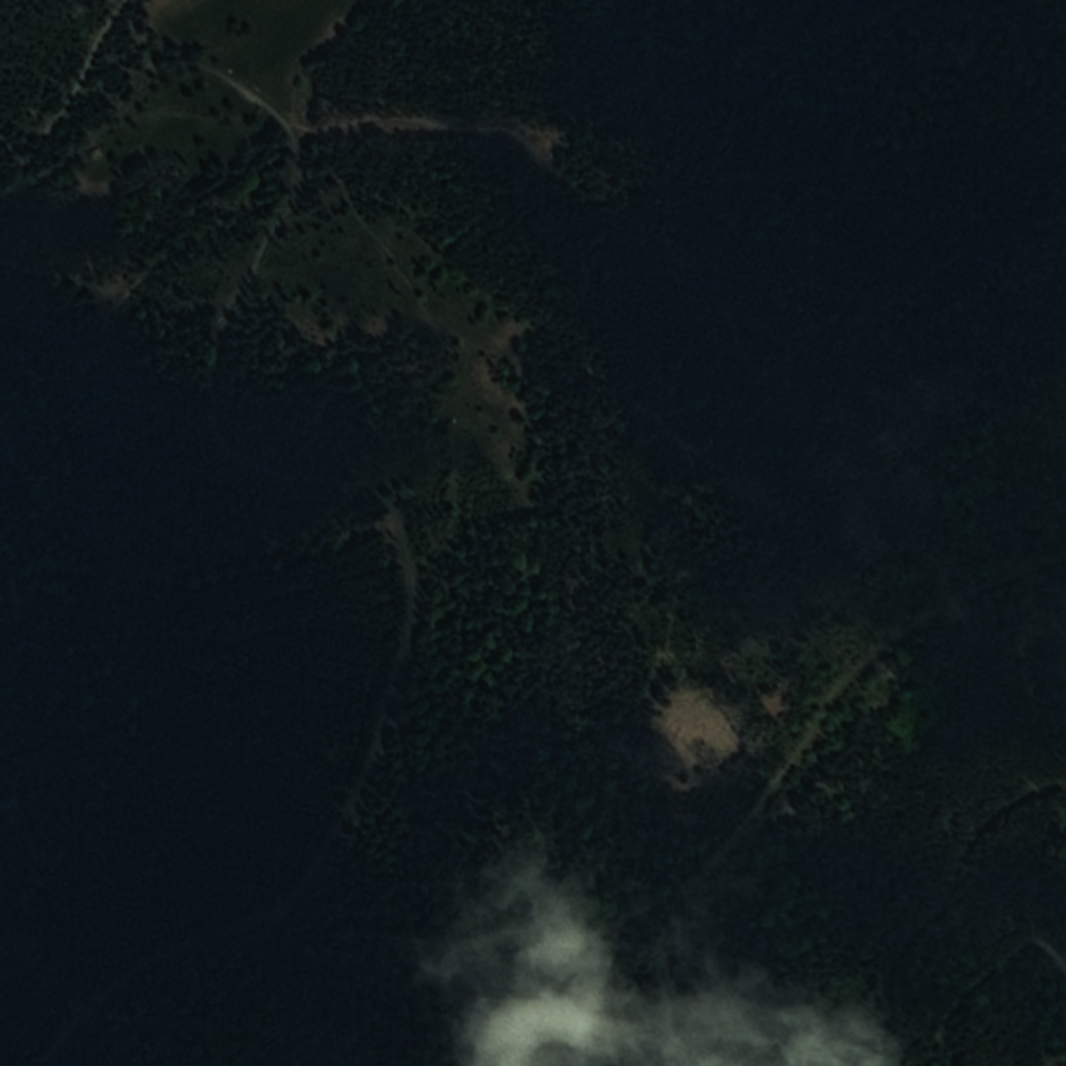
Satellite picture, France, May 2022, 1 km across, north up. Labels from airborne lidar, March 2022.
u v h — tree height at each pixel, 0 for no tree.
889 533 18
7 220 21
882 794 22
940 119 19
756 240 16
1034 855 23
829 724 10
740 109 17
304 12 0
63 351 19
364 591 16
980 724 21
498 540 17
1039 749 23
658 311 9
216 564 6
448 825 14
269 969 21
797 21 18
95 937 15
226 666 22
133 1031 8
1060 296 12
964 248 15
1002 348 12
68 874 19
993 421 20
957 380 13
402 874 19
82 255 19
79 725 15
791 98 17
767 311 17
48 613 16
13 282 17
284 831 13
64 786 16
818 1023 25
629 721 18
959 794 21
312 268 0
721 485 13
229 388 21
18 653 17
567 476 26
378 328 0
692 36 20
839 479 16
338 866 12
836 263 11
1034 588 11
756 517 15
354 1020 16
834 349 14
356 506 25
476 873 14
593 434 28
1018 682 21
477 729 20
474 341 0
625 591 24
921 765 25
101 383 29
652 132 20
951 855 21
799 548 22
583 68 21
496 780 11
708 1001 14
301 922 18
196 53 15
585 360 18
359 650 16
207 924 17
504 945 13
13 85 9
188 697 15
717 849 9
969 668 22
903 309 12
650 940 25
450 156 21
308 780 14
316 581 17
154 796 12
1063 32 11
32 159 23
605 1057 26
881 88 13
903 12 22
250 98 0
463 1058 18
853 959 23
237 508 32
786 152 12
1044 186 15
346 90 19
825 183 14
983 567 29
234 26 9
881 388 9
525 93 23
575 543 20
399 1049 21
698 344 10
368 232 0
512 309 13
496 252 19
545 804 17
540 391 10
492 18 21
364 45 22
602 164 19
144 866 17
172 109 0
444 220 18
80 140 18
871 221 11
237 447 17
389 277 0
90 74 11
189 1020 17
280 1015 19
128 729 16
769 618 14
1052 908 9
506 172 20
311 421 17
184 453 25
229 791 13
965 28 12
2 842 17
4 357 21
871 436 14
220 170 22
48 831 17
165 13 0
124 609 14
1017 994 20
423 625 24
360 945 9
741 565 6
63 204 20
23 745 14
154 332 31
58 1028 8
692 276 13
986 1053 24
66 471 24
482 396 0
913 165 14
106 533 24
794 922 19
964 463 23
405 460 0
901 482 21
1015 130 10
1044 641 10
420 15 21
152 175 27
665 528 19
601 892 14
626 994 12
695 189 14
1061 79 18
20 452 28
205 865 16
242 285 0
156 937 17
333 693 14
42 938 13
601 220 8
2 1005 7
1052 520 22
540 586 21
